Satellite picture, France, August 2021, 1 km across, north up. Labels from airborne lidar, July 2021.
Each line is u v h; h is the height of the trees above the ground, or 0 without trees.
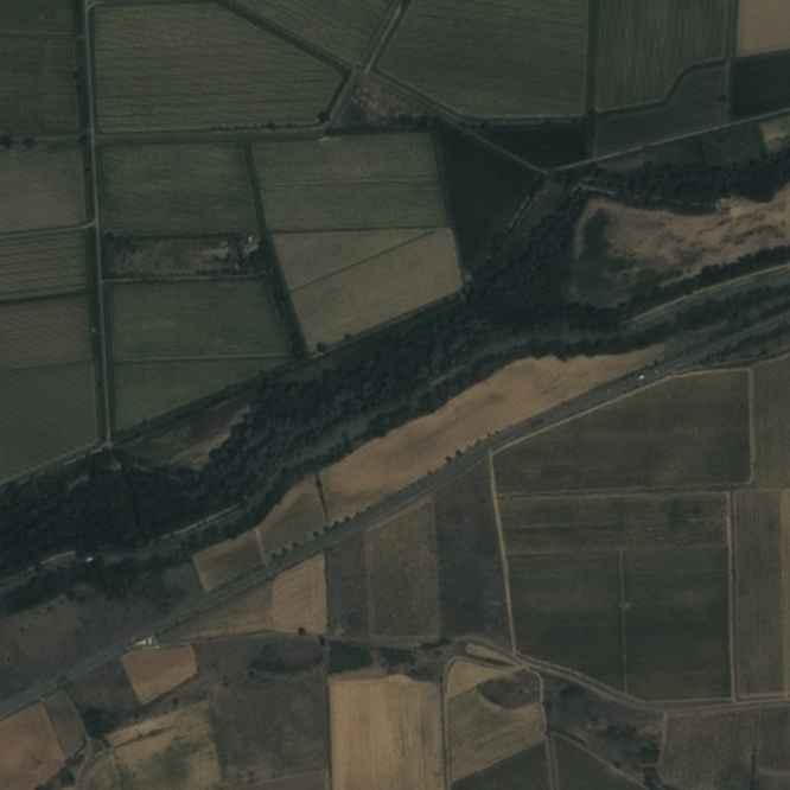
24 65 0
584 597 0
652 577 0
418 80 0
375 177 0
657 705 0
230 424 0
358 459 0
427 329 7
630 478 0
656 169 17
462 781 0
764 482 0
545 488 0
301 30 0
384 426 17
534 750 0
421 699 0
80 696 0
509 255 0
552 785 0
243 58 0
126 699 0
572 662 0
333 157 0
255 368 0
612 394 0
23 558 16
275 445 17
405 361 14
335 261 0
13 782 0
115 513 17
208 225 0
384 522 0
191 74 0
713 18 0
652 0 0
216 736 0
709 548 0
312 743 0
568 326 16
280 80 0
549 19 0
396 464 0
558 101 0
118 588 7
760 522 0
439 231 0
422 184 0
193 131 0
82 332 0
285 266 0
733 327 6
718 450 0
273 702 0
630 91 0
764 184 20
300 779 0
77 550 15
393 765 0
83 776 0
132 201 0
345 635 0
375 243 0
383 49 0
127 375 0
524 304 18
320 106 0
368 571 0
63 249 0
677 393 0
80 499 16
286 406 17
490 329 17
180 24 0
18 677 0
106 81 0
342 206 0
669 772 0
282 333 0
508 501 0
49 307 0
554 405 0
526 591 0
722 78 0
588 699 0
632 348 8
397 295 0
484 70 0
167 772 0
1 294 0
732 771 0
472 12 0
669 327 14
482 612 0
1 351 0
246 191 0
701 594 0
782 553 0
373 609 0
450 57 0
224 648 0
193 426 0
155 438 0
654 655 0
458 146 0
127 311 0
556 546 0
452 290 0
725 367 0
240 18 0
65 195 0
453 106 0
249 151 0
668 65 0
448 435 0
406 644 0
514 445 0
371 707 0
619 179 13
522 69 0
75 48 0
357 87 0
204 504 16
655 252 0
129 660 0
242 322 0
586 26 0
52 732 0
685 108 0
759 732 0
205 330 0
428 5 0
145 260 0
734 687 0
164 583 0
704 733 0
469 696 0
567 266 13
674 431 0
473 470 0
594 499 0
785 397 0
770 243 0
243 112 0
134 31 0
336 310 0
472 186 0
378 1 0
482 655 0
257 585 0
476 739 0
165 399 0
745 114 0
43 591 16
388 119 0
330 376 19
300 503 0
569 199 8
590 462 0
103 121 0
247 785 0
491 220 0
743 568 0
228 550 0
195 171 0
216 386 0
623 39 0
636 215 0
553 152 0
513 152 0
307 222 0
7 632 0
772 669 0
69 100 0
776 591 0
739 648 0
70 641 0
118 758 0
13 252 0
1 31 0
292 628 0
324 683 0
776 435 0
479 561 0
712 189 13
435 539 0
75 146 0
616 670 0
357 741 0
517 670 0
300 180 0
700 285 10
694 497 0
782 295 9
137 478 14
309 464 9
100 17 0
